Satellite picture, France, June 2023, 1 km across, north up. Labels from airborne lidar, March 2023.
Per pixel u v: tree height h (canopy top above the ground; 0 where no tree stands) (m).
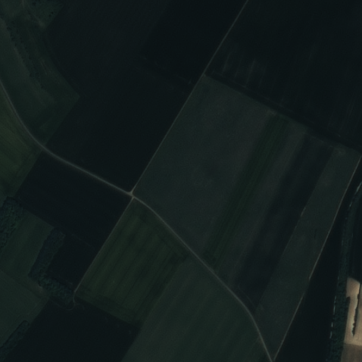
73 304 0
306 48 0
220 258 0
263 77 0
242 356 0
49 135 0
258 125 0
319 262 0
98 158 0
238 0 0
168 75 0
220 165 0
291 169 0
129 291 0
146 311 0
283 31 0
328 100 0
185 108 0
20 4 0
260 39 0
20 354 0
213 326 0
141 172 0
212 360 0
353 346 0
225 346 0
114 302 0
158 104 0
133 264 0
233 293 0
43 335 0
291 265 0
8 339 7
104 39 0
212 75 0
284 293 0
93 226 0
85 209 0
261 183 0
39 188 0
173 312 0
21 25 0
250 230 0
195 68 0
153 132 0
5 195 0
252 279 0
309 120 0
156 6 0
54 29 0
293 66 0
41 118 0
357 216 0
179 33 0
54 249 15
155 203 0
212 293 0
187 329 0
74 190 0
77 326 0
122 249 0
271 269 0
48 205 0
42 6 0
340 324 6
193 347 0
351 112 0
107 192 0
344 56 0
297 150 0
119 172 0
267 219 0
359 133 0
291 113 0
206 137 0
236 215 0
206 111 0
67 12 0
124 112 0
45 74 0
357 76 0
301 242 0
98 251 0
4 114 0
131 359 0
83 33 0
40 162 0
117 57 0
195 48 0
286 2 0
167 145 0
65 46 0
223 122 0
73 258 0
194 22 0
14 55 0
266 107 0
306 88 0
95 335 0
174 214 0
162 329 0
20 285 0
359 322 0
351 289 0
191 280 0
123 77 0
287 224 0
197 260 0
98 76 0
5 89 0
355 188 0
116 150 0
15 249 0
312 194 0
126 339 0
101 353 0
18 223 7
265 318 0
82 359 0
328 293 0
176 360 0
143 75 0
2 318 0
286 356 0
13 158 0
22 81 0
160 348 0
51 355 0
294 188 0
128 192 0
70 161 0
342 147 0
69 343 0
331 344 11
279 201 0
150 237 0
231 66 0
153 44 0
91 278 0
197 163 0
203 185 0
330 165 0
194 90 0
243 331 0
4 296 0
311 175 0
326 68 0
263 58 0
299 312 0
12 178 0
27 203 0
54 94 0
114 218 0
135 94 0
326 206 0
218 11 0
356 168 0
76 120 0
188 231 0
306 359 0
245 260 0
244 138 0
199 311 0
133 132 0
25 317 0
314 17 0
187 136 0
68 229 0
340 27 0
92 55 0
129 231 0
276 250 0
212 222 0
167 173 0
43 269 12
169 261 0
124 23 0
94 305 0
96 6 0
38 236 0
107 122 0
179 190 0
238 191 0
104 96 0
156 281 0
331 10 0
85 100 0
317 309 0
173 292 0
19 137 0
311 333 0
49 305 0
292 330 0
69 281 0
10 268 0
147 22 0
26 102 0
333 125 0
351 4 0
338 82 0
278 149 0
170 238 0
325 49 0
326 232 0
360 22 0
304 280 0
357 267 0
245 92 0
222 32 0
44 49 0
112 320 0
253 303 0
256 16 0
